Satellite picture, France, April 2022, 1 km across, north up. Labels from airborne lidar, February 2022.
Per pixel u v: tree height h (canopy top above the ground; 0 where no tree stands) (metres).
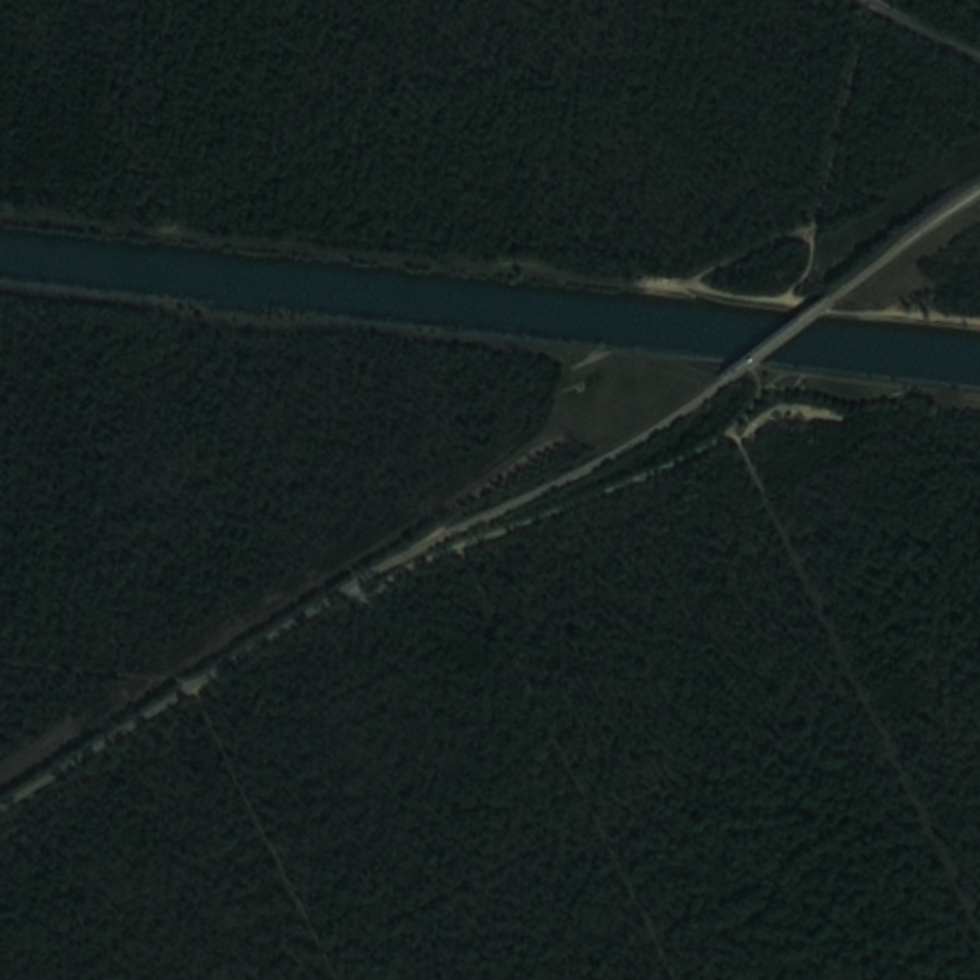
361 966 15
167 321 17
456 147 18
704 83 17
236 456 14
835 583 8
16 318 17
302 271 0
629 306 0
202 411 16
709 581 17
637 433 0
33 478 13
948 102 18
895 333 0
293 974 17
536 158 18
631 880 15
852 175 17
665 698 18
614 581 19
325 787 15
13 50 7
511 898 18
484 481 0
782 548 14
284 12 15
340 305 0
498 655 18
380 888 16
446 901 18
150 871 17
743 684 19
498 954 17
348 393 16
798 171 16
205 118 17
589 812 18
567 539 16
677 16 16
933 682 16
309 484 14
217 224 14
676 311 0
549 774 22
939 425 14
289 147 18
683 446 9
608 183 12
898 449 16
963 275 10
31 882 14
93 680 16
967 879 21
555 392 11
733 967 18
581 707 15
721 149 16
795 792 20
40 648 14
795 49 16
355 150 16
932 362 0
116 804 14
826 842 20
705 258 14
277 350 18
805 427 14
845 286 0
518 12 14
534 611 16
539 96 18
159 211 15
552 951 18
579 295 0
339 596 13
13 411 16
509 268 0
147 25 13
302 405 15
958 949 20
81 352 13
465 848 14
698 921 17
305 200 17
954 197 0
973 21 18
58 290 0
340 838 13
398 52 15
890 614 19
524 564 17
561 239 17
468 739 15
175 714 15
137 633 16
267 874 9
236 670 16
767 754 21
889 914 11
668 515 16
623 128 17
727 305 0
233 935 16
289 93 16
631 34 16
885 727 20
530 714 17
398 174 18
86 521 13
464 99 17
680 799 13
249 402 18
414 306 0
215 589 11
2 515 12
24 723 14
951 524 18
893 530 16
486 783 17
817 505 12
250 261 0
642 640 17
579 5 7
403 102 18
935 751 13
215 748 16
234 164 18
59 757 10
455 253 8
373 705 17
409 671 17
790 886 19
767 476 7
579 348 0
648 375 0
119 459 12
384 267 0
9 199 11
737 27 15
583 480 6
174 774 17
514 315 0
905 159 14
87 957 9
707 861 22
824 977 24
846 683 16
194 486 14
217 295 0
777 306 0
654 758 16
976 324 0
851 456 14
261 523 15
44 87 8
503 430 15
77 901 17
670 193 17
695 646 14
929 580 18
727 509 15
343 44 17
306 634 13
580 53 15
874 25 13
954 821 8
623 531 13
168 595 15
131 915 17
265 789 17
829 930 21
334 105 18
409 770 18
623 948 19
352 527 16
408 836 18
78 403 14
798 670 15
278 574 10
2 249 0
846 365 0
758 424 0
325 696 15
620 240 16
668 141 17
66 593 16
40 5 16
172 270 0
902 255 0
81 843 18
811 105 18
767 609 17
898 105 17
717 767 20
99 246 0
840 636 16
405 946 11
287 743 14
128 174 12
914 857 19
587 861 16
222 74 19
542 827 15
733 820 22
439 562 13
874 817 20
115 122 13
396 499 12
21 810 18
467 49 17
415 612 16
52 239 0
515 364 19
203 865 15
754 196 13
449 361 15
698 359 0
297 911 19
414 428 15
